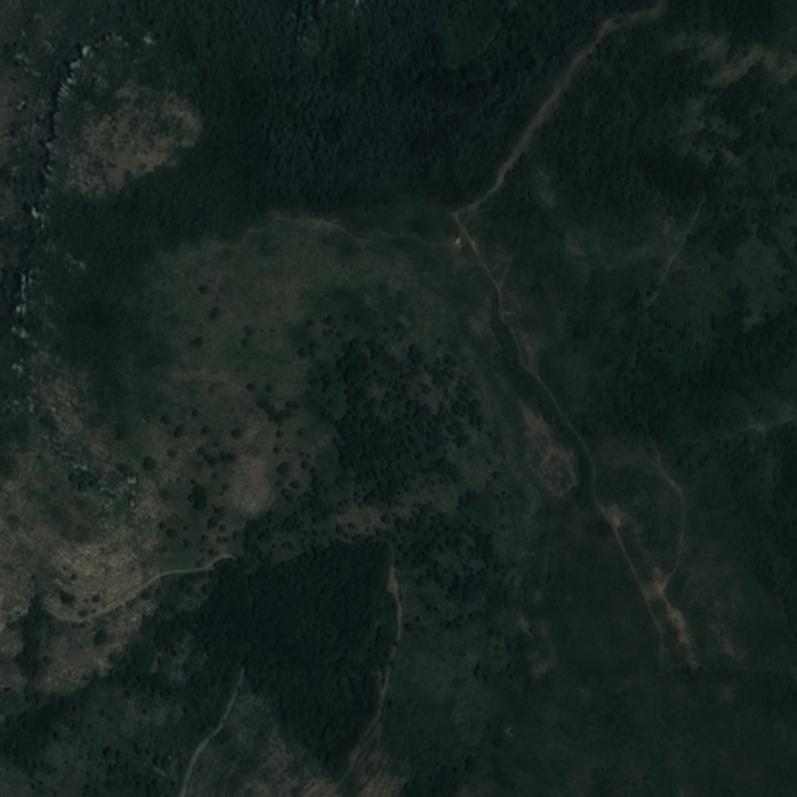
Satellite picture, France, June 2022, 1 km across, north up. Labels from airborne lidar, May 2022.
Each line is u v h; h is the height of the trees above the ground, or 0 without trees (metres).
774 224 8
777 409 0
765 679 0
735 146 11
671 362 8
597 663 0
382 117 14
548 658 0
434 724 0
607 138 12
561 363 0
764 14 11
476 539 8
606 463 0
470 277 0
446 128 17
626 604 0
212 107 13
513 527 0
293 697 11
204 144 6
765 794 0
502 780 0
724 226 6
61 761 0
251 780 0
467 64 10
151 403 0
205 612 11
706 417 10
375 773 0
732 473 6
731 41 7
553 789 0
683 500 0
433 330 0
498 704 0
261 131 15
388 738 0
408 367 9
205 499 11
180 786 7
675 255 0
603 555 0
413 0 24
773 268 0
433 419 10
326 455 0
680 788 0
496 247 0
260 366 0
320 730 12
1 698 28
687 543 0
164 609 11
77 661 0
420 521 9
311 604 17
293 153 13
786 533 10
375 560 16
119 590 0
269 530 8
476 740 0
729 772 0
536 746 0
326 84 11
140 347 0
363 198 6
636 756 0
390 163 13
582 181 9
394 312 0
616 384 6
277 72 13
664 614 0
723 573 0
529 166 8
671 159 13
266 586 16
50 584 0
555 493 0
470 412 12
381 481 7
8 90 0
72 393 0
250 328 9
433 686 0
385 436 15
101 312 11
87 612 6
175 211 7
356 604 17
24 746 13
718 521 0
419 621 9
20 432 6
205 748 0
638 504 0
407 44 19
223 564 12
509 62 17
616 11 6
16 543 0
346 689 8
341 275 0
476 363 0
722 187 12
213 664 7
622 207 6
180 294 0
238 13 9
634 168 11
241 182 9
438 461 5
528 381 0
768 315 12
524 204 7
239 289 0
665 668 0
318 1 15
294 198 6
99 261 6
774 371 8
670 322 13
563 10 7
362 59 12
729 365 15
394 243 0
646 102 10
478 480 0
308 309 0
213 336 0
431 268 0
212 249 0
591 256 0
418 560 8
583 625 0
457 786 6
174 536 12
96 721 0
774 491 8
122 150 0
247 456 0
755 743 0
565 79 0
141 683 7
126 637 0
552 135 8
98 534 0
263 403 10
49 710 12
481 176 7
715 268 8
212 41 7
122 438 9
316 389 7
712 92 9
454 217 0
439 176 10
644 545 0
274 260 0
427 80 21
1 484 0
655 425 9
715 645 0
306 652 12
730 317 9
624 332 9
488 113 14
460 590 16
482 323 0
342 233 0
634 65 6
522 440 0
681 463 11
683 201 6
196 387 0
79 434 0
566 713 0
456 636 0
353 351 13
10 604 0
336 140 15
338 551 18
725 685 0
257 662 11
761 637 0
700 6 9
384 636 12
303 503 6
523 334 0
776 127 12
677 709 0
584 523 0
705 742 0
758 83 11
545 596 0
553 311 0
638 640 0
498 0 6
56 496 0
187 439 0
